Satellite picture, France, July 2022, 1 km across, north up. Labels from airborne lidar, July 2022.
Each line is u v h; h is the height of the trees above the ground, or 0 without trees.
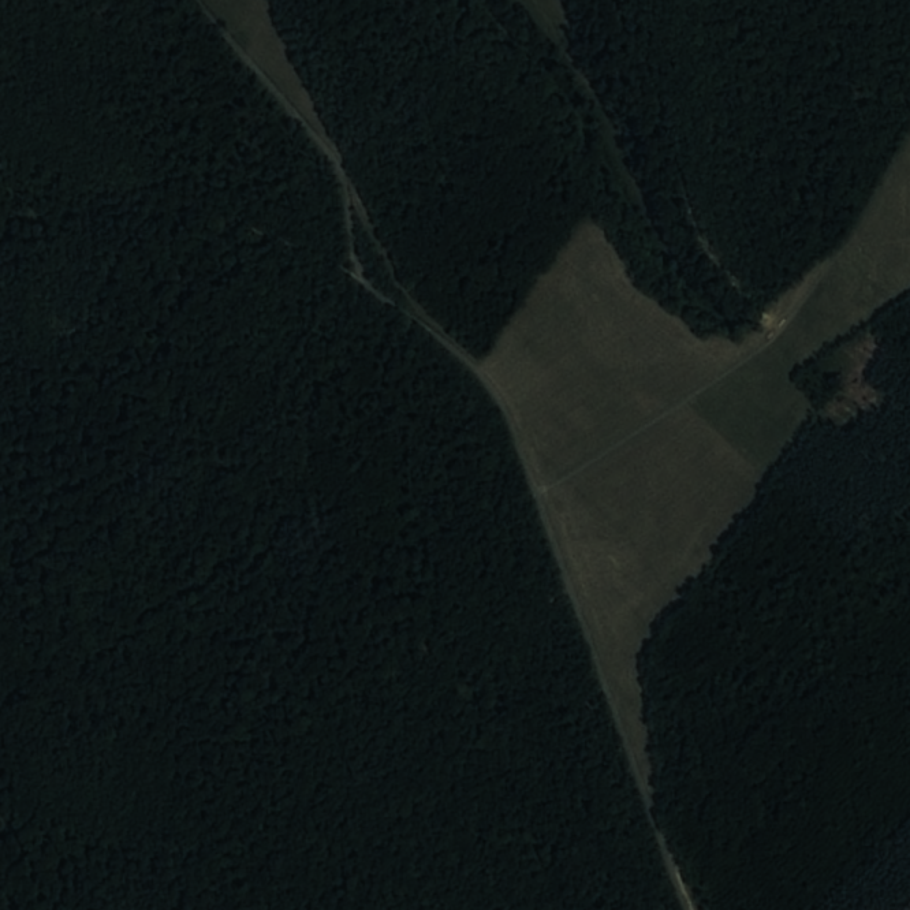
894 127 14
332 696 23
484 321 10
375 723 17
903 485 13
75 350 24
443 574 18
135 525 21
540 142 8
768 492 18
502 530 15
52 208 25
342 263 12
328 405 19
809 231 22
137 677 23
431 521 18
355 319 18
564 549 0
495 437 17
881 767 8
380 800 16
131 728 22
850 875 12
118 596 13
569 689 17
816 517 16
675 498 0
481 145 23
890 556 16
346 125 21
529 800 17
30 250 26
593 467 0
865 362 0
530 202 23
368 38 18
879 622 6
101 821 15
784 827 8
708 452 0
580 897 22
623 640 0
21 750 24
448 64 14
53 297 13
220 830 21
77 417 30
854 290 0
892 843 15
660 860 12
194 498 9
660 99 23
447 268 21
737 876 8
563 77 8
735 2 17
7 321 19
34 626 27
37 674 28
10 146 13
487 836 20
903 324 16
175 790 16
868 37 20
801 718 21
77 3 14
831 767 9
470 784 18
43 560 28
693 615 21
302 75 17
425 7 33
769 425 0
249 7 0
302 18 23
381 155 15
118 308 20
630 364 0
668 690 16
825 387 16
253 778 18
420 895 19
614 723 12
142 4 15
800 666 8
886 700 15
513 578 19
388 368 20
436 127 16
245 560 24
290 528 26
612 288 0
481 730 18
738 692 7
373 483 17
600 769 23
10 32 10
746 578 9
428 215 17
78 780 14
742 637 19
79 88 14
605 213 26
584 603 0
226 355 22
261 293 19
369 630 19
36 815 26
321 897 10
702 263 25
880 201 0
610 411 0
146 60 7
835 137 21
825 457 19
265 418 17
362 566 21
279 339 17
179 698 16
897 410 17
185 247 27
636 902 16
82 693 17
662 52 23
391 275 10
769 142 20
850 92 18
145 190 15
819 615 8
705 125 12
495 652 19
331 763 18
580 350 0
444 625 17
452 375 18
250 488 21
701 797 20
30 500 32
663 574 0
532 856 21
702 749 21
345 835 16
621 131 22
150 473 27
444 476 18
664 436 0
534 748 15
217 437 14
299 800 18
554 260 22
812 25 22
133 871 25
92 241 17
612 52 31
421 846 15
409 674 15
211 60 10
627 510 0
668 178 27
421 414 6
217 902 20
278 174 19
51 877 31
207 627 23
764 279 15
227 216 27
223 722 24
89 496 18
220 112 8
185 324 25
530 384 0
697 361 0
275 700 23
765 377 0
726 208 13
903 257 0
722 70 16
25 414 32
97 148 13
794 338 0
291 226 17
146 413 26
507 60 32
